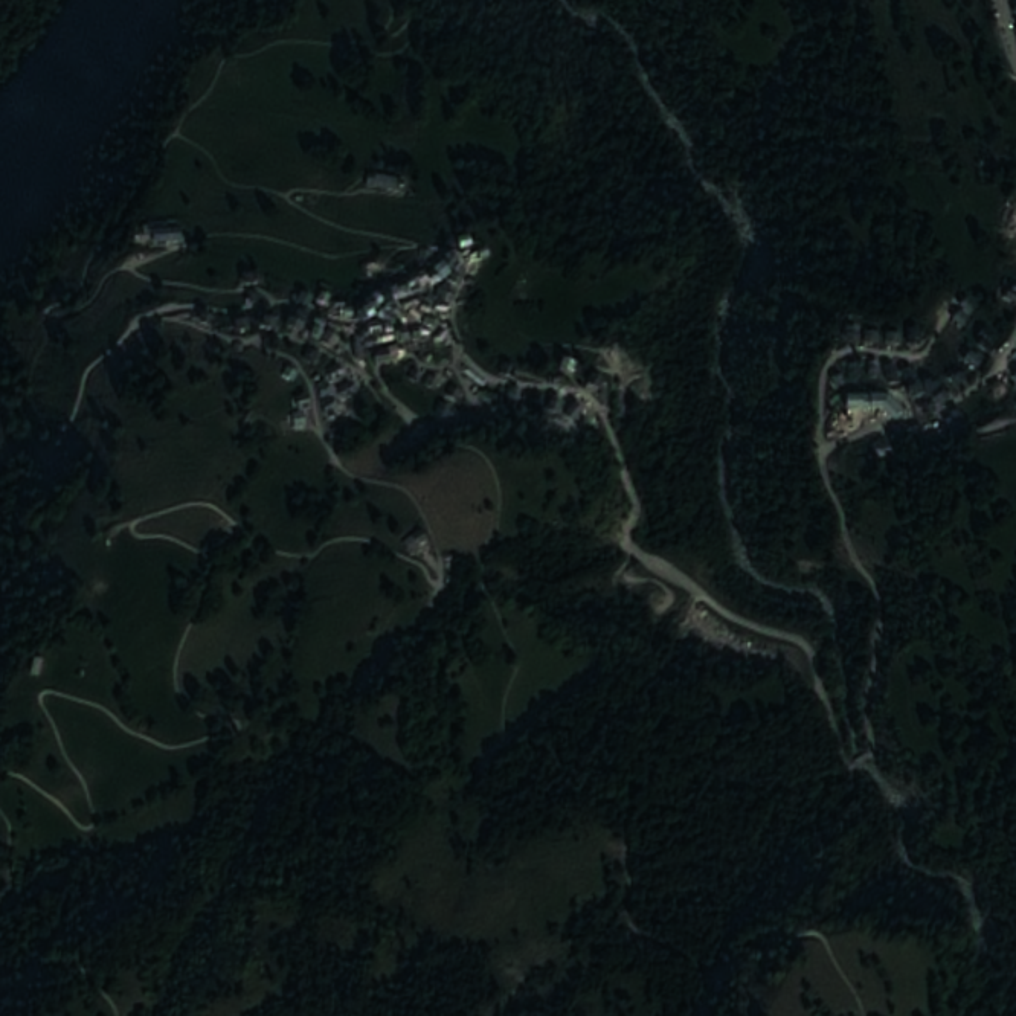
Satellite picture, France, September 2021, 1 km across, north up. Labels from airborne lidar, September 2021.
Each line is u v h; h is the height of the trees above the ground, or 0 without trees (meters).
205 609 17
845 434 0
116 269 0
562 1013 10
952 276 6
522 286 0
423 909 0
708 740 17
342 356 0
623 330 14
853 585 0
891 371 0
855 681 13
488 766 6
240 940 13
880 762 13
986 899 14
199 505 0
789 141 14
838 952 0
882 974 9
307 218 0
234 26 13
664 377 13
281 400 0
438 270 0
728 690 10
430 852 0
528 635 0
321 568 0
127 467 0
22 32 19
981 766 17
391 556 9
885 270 8
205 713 0
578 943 16
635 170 19
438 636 13
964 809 10
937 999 16
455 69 23
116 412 0
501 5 19
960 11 14
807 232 12
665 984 15
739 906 14
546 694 0
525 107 15
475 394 0
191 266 0
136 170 16
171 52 11
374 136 0
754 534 14
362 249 0
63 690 0
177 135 0
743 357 13
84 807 0
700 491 24
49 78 14
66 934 10
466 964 11
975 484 14
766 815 21
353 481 0
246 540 16
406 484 0
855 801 9
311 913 17
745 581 9
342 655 0
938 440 12
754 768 17
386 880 0
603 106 25
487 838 13
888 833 11
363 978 12
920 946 12
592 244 16
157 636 0
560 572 15
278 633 0
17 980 20
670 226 24
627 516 9
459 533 0
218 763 15
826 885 8
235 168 0
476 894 0
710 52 20
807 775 17
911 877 9
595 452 15
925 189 0
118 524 0
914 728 0
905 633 15
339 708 20
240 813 14
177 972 16
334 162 17
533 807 15
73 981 10
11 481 10
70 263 0
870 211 23
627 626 13
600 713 17
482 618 14
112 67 17
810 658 0
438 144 0
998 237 0
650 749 20
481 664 13
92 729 0
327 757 9
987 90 10
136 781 0
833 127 24
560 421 0
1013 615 23
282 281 0
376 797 23
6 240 16
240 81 0
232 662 0
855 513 11
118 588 0
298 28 0
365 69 15
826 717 9
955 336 0
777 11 0
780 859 12
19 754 14
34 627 16
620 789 16
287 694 14
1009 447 0
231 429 0
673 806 11
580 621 17
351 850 12
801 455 13
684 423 15
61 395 0
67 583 15
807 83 21
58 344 15
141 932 21
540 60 16
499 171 21
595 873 0
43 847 0
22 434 0
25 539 18
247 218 0
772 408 10
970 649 18
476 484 0
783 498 12
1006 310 0
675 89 22
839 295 24
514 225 17
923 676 14
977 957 20
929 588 16
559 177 21
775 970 12
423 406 0
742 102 23
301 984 11
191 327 0
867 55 18
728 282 7
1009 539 0
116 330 0
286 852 17
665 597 0
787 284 13
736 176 18
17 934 13
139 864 13
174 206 0
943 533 15
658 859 22
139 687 0
